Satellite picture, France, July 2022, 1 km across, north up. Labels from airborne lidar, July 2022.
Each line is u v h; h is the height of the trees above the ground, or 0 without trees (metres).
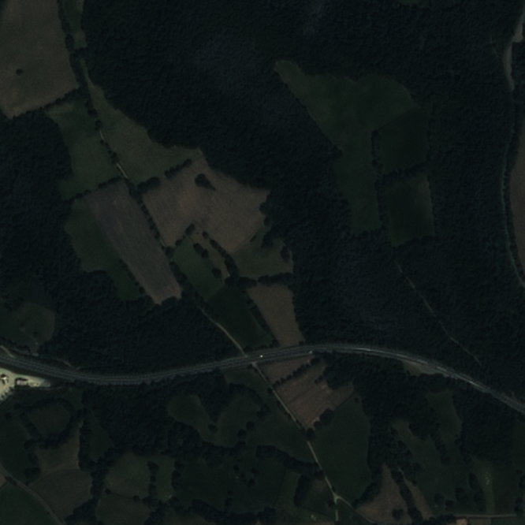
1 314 0
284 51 18
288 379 10
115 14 20
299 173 26
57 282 15
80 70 12
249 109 17
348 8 27
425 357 11
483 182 23
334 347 0
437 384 20
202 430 0
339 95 0
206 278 0
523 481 15
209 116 18
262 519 19
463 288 19
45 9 0
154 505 16
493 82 20
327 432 0
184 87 20
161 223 0
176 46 16
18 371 0
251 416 0
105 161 0
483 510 16
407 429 0
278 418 0
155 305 8
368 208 0
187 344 18
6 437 0
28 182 20
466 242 22
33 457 14
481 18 18
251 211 0
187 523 0
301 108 17
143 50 24
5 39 0
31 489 0
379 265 15
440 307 14
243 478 14
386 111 0
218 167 16
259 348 7
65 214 13
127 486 0
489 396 13
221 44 15
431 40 22
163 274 0
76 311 22
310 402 0
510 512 0
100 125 13
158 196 0
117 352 15
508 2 28
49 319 0
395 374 16
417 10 20
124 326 15
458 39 18
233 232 0
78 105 0
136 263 0
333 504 16
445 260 14
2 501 0
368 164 0
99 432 0
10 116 0
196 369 0
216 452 20
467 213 25
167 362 17
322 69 20
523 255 0
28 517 0
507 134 23
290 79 0
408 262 6
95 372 9
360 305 12
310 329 19
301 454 0
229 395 19
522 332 17
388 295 14
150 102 21
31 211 20
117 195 0
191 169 0
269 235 8
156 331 17
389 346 13
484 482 0
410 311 15
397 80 17
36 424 0
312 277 21
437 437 19
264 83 14
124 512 0
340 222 10
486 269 17
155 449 20
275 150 25
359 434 0
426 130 0
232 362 0
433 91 20
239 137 23
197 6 16
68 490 0
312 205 23
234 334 0
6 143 16
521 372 13
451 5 18
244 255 0
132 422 19
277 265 0
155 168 0
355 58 27
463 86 26
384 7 19
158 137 19
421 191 0
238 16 18
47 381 0
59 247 14
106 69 22
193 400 0
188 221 0
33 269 27
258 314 19
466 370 11
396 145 0
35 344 0
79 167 0
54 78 0
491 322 19
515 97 19
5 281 22
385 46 24
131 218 0
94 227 0
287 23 22
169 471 0
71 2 0
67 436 19
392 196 0
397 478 18
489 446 23
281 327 0
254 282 13
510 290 19
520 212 0
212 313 14
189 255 0
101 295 17
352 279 11
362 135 0
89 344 20
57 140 13
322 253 26
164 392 17
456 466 0
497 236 24
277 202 18
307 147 18
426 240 18
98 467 16
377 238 19
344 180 0
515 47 15
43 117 9
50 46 0
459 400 19
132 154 0
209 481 0
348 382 17
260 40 15
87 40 9
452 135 19
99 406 23
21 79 0
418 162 0
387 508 0
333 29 24
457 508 0
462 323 15
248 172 25
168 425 17
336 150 17
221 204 0
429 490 0
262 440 0
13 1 0
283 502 0
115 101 18
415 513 21
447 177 18
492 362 14
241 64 17
